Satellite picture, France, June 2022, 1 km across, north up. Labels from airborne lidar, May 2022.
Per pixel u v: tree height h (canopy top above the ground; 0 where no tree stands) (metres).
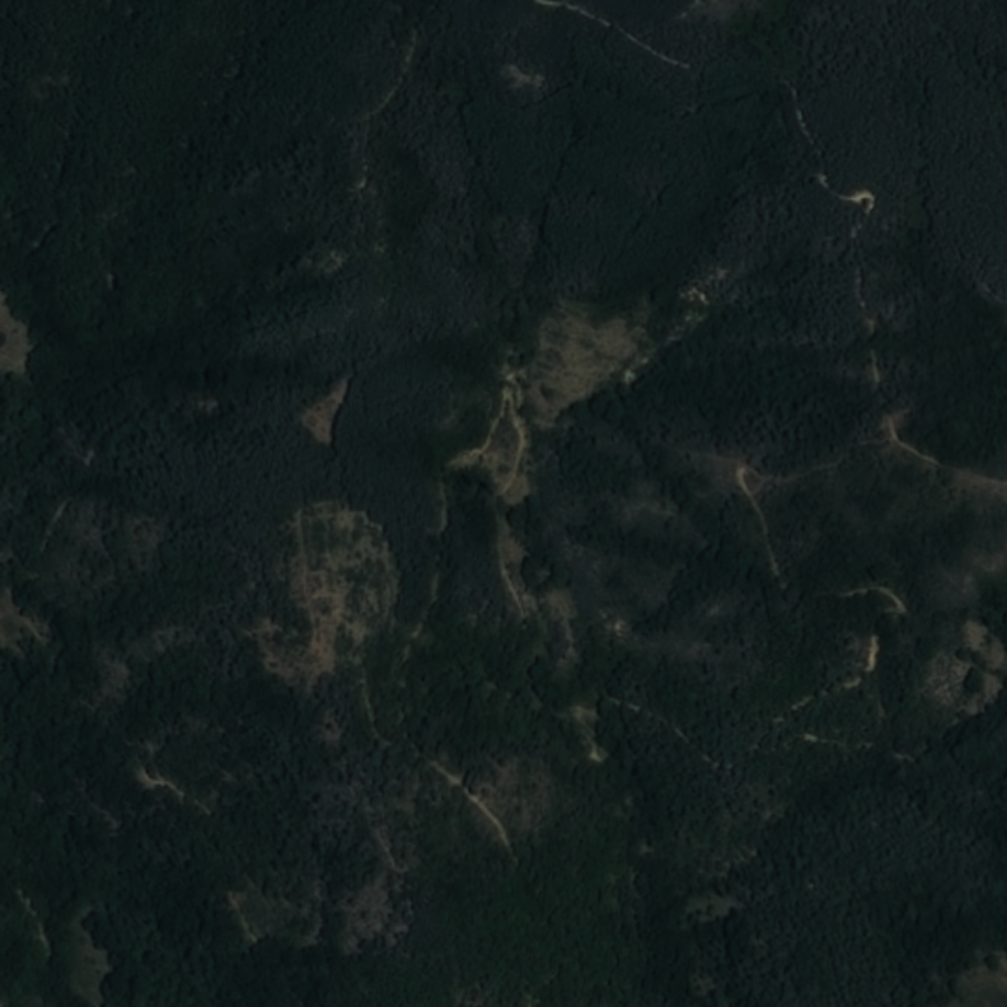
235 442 9
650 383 10
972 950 8
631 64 16
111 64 15
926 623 7
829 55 12
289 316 12
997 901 13
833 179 10
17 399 17
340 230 6
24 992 8
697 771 11
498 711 7
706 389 9
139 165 16
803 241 11
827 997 8
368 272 13
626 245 21
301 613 7
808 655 10
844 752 10
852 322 15
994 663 0
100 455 8
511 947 16
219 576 12
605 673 12
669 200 22
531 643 11
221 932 15
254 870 12
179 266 17
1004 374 6
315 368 13
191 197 17
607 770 13
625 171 13
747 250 17
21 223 22
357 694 10
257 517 15
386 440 17
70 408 12
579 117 27
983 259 14
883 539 10
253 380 28
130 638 6
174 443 18
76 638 11
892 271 17
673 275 12
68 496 6
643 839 20
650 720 6
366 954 13
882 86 13
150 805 14
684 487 11
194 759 10
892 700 12
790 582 10
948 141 15
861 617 11
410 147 9
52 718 17
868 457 8
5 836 16
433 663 16
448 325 16
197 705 16
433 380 15
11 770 13
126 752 17
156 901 14
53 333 22
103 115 17
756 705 9
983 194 16
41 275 27
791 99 14
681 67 12
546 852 11
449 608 12
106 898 13
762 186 15
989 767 9
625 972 16
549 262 18
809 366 10
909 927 8
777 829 21
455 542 15
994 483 0
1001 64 16
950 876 9
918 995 14
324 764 7
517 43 11
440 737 8
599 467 13
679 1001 16
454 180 13
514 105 11
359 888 6
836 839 12
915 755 18
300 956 7
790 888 10
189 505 15
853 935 12
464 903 14
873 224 13
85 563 9
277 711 18
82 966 0
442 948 17
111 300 24
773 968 12
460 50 15
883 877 9
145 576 7
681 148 16
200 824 17
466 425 9
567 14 10
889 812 12
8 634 0
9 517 11
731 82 22
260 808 15
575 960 10
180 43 7
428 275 17
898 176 15
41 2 11
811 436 10
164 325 16
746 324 14
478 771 12
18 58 15
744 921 17
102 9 16
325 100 11
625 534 9
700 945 11
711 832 7
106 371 20
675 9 10
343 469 12
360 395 12
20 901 13
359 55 12
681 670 7
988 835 18
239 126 8
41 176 10
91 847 18
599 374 0
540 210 14
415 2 12
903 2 14
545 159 25
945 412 12
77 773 15
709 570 17
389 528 14
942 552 7
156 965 15
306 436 15
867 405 11
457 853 10
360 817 8
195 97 19
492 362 9
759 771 13
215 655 6
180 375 17
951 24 17
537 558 15
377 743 12
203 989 14
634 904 18
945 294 17
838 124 12
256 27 18
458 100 8
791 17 8
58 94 12
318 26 13
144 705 12
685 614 12
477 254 11
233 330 20
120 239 18
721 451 9
